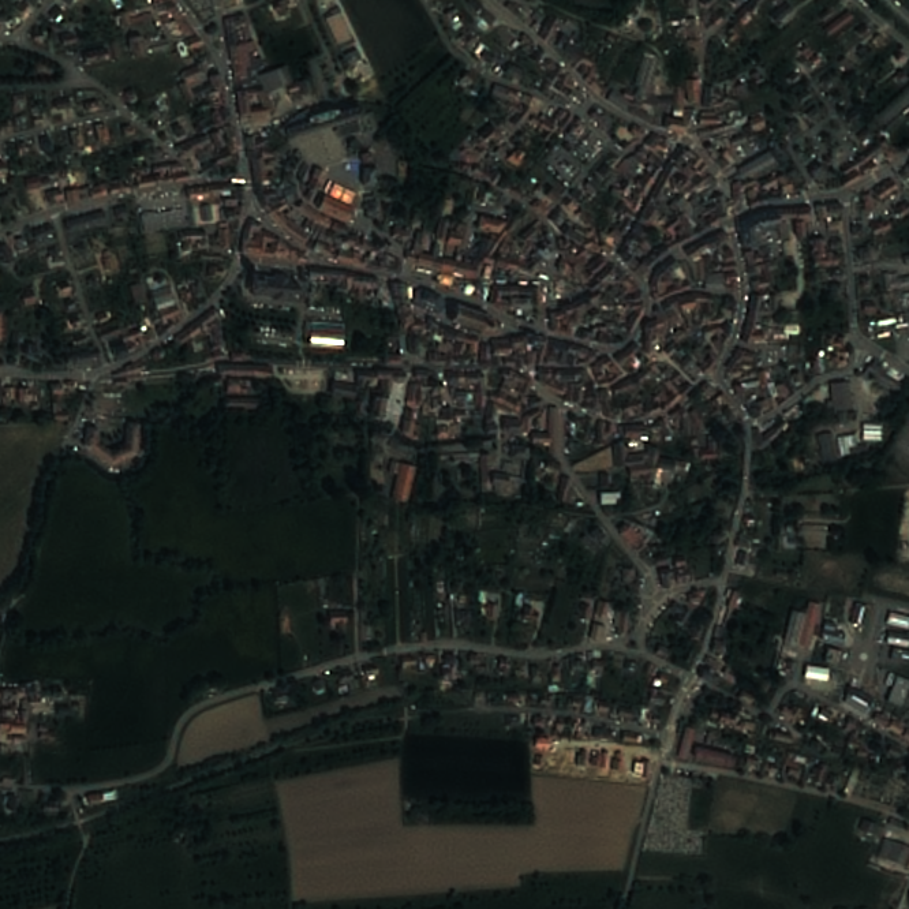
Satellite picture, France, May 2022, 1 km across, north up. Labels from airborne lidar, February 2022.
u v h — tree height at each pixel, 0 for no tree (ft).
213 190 0
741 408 0
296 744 0
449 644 0
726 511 0
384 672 0
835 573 0
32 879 31
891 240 0
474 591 21
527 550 0
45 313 52
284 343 0
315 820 0
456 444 0
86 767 0
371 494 23
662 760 0
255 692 0
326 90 0
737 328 0
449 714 0
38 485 40
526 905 0
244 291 0
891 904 0
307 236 0
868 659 0
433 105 0
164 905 0
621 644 0
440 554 44
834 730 0
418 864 0
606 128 0
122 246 0
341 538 0
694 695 0
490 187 40
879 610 0
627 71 0
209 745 0
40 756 0
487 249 0
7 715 0
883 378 0
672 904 0
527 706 0
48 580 0
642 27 29
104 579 0
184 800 38
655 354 0
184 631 43
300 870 0
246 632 0
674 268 0
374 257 0
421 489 50
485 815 24
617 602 22
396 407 0
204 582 0
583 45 0
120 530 0
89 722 0
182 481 0
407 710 0
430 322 0
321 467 40
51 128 0
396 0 0
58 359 54
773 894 0
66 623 0
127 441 0
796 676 0
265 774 0
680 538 45
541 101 0
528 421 0
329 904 0
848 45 0
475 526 0
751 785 0
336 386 0
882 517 0
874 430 0
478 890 0
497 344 0
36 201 0
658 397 0
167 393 0
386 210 26
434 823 0
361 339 59
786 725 0
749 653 66
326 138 0
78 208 0
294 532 0
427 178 0
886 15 19
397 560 0
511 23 0
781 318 32
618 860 0
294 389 0
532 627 0
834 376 0
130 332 0
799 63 0
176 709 0
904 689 0
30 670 0
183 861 0
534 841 0
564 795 0
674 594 0
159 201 0
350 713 39
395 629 0
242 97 0
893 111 0
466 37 0
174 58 0
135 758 0
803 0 0
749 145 0
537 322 0
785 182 0
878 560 72
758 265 0
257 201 0
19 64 44
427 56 0
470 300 0
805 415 23
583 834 0
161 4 0
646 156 0
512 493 0
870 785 0
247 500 0
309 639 0
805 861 0
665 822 0
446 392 0
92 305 0
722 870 0
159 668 0
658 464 0
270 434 0
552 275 0
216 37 0
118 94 0
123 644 0
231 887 0
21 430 0
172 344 31
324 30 22
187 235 0
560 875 0
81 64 0
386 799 0
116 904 0
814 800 0
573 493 0
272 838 0
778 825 0
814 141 0
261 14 0
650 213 0
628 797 0
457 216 31
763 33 0
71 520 0
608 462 0
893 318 0
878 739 46
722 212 0
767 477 29
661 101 0
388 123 31
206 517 0
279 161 0
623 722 0
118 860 0
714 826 0
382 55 0
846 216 0
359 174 0
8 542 0
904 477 0
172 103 0
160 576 0
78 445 0
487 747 0
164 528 0
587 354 0
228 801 0
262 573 0
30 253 0
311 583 0
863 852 0
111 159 22
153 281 0
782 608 0
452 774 0
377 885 0
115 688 0
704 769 0
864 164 0
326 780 0
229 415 49
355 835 0
